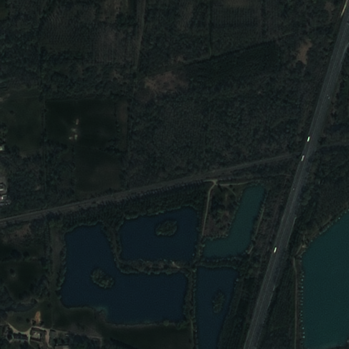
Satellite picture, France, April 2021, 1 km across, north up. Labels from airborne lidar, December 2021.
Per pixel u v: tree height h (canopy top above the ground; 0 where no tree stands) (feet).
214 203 44
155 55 60
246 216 0
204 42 35
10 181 51
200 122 77
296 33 113
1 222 0
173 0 0
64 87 21
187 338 0
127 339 0
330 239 0
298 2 107
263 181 85
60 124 0
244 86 77
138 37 0
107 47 82
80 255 0
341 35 0
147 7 0
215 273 0
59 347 0
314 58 18
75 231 0
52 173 47
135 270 33
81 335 0
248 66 23
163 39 21
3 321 81
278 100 72
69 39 84
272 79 57
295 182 0
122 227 0
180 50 34
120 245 47
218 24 61
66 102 0
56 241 0
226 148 22
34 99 0
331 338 0
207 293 0
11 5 88
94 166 0
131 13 0
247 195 0
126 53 0
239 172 26
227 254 0
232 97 49
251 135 48
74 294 0
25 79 84
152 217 0
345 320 0
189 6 0
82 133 0
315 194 43
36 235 18
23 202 54
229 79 60
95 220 54
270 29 94
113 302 0
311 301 0
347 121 29
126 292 0
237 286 62
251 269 59
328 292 0
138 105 74
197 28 0
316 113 0
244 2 0
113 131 0
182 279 0
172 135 79
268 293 0
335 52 0
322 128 0
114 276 0
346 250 0
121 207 17
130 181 56
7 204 79
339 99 57
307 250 0
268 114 74
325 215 98
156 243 0
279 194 17
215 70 55
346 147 21
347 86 48
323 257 0
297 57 29
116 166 0
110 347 54
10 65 61
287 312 52
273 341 53
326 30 21
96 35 88
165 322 47
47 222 61
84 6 87
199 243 36
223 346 66
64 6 87
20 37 68
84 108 0
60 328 0
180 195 52
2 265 0
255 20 80
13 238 0
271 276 0
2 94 0
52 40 96
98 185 0
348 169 20
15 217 0
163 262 20
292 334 20
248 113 49
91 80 24
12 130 0
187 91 66
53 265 93
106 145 0
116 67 19
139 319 0
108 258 0
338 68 0
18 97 0
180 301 0
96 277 23
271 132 45
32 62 105
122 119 0
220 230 33
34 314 0
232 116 74
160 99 75
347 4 0
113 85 21
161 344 0
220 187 34
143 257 0
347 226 0
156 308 0
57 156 69
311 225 67
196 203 42
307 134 0
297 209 48
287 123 73
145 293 0
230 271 0
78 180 0
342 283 0
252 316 49
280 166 30
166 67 22
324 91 0
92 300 0
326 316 0
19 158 99
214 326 0
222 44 80
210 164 70
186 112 48
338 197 92
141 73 24
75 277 0
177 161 84
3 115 0
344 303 0
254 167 46
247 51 19
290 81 61
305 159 0
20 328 0
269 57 62
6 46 30
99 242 0
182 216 0
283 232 0
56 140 0
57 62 86
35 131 0
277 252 0
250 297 28
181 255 0
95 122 0
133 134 61
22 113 0
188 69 25
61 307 0
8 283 0
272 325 64
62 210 0
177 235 0
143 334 0
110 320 0
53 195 21
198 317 0
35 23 104
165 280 0
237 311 27
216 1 0
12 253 0
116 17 22
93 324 0
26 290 0
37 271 0
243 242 0
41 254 0
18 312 0
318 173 22
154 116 58
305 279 0
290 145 23
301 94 18
